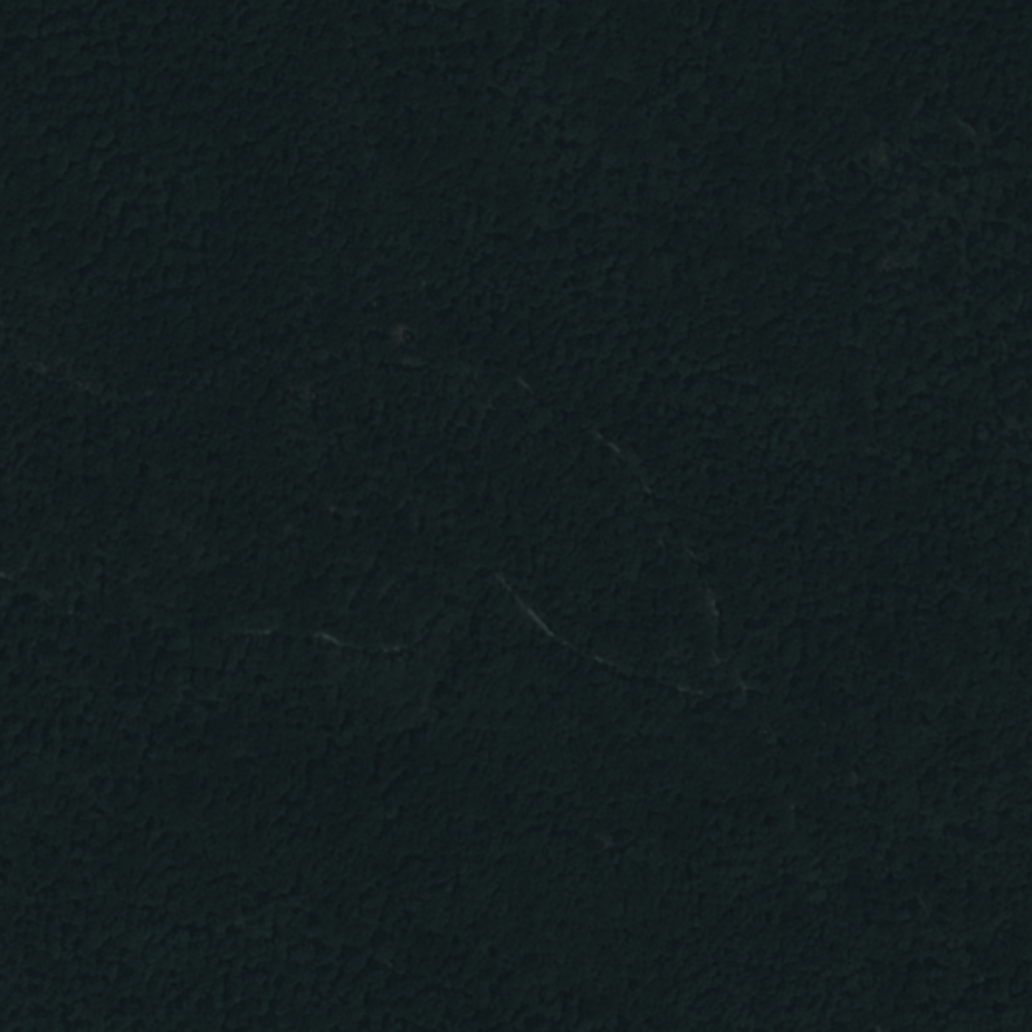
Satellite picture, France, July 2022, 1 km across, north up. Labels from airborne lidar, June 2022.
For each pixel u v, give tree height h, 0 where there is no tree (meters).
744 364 25
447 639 26
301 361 22
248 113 24
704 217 17
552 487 22
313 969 20
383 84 22
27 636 24
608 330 27
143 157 23
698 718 19
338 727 28
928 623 23
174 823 27
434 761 24
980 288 27
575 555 19
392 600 17
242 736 30
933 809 27
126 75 28
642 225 23
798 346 24
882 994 22
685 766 22
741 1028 20
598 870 16
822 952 20
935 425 27
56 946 26
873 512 24
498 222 25
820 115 31
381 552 26
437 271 22
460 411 18
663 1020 32
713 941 23
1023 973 22
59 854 32
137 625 21
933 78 24
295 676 28
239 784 24
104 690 19
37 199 27
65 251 21
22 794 28
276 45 24
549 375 23
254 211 23
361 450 24
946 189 25
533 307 24
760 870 23
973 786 24
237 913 25
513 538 23
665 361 30
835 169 30
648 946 28
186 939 23
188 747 31
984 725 20
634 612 21
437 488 11
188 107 21
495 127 26
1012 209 21
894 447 28
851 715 25
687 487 24
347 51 23
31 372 18
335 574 21
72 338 28
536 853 19
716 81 22
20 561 22
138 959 26
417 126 25
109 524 21
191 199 22
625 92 31
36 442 21
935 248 25
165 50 25
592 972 25
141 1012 27
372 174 20
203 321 24
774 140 25
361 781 29
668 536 18
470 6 28
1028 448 30
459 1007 21
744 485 25
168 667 26
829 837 24
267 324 24
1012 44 28
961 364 23
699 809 22
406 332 24
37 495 19
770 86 27
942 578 26
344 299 17
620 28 18
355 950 24
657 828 21
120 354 21
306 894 24
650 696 18
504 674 23
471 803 28
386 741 26
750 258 16
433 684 13
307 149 20
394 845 27
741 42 30
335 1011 28
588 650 21
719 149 21
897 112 24
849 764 26
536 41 20
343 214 18
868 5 26
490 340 22
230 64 24
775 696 24
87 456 21
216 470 22
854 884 23
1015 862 28
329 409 21
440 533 17
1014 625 26
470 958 32
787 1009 20
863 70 27
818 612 22
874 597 11
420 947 30
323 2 22
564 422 23
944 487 26
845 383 26
